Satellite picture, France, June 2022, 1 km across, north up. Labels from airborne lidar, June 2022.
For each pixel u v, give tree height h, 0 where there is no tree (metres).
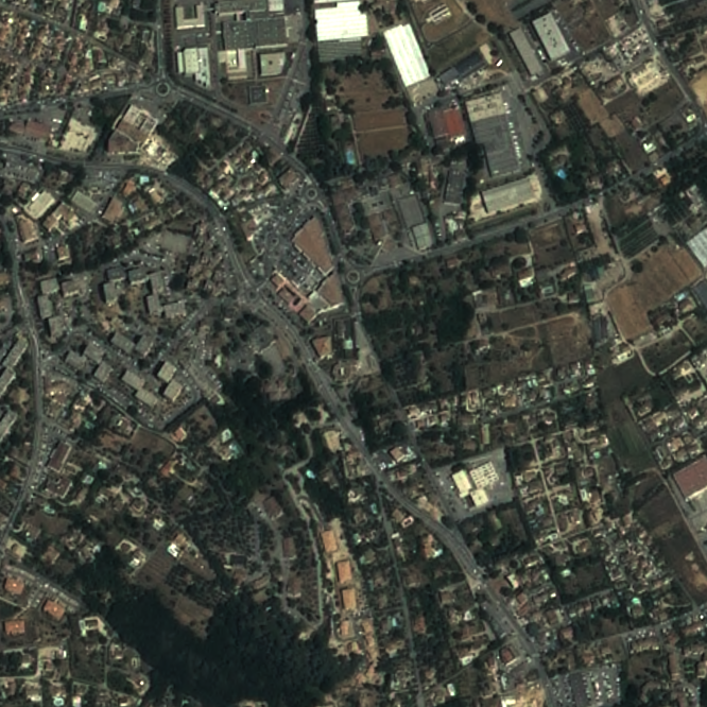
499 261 13
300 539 8
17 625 0
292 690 11
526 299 10
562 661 6
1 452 8
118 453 10
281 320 0
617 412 0
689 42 7
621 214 0
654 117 0
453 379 9
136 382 0
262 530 8
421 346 10
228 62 0
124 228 6
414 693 6
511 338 0
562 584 11
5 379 0
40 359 0
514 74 0
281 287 0
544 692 0
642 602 6
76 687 6
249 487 6
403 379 8
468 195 13
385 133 0
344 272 8
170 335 14
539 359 0
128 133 0
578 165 7
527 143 0
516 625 0
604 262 6
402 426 14
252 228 0
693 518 0
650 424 0
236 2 0
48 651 0
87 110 0
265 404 12
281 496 6
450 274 7
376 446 9
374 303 11
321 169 13
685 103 0
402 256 0
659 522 0
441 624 10
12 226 7
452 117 0
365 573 7
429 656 6
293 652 23
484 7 0
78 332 0
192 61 0
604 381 0
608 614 13
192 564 0
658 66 0
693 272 0
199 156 7
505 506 9
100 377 0
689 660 8
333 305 0
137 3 0
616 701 0
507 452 12
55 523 0
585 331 0
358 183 15
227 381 11
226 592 8
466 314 12
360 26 0
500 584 0
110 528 9
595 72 0
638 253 0
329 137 15
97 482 8
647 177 6
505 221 0
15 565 8
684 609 6
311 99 12
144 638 14
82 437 10
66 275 12
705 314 5
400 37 0
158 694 11
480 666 11
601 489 14
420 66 0
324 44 0
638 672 0
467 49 0
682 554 0
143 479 8
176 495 8
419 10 0
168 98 0
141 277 0
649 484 0
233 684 14
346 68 13
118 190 6
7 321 0
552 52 0
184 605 0
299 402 15
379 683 6
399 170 15
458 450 8
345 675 21
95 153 8
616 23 0
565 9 0
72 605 0
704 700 13
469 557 0
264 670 16
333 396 0
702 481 0
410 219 0
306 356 0
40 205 0
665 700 8
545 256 0
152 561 0
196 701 11
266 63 0
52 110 0
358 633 0
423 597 7
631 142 0
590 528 7
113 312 0
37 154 0
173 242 0
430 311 7
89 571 10
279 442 17
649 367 0
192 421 7
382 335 6
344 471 6
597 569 0
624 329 0
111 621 14
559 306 11
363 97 0
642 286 0
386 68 12
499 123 0
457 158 13
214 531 7
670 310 6
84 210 0
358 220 10
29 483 0
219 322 9
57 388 0
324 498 10
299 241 0
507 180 5
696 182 11
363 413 8
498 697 7
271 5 0
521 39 0
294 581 0
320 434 7
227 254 0
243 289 0
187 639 17
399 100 6
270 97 0
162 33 0
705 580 0
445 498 0
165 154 0
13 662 11
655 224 0
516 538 8
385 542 7
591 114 0
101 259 7
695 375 6
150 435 0
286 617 16
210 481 7
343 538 6
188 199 5
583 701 0
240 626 21
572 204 7
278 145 0
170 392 0
